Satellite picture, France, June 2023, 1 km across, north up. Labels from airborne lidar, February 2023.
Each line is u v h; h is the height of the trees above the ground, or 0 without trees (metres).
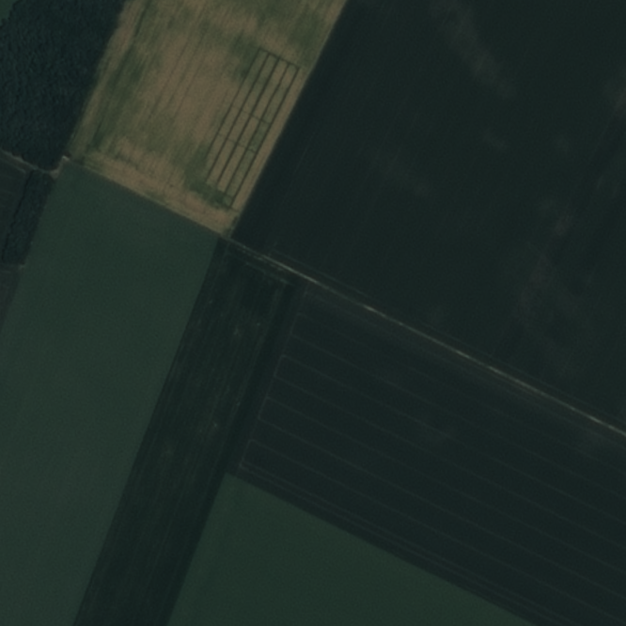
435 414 0
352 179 0
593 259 0
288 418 0
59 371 0
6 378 0
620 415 0
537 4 0
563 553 0
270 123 0
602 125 0
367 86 0
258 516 0
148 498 0
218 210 0
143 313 0
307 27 0
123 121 0
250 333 0
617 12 0
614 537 0
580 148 0
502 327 0
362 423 0
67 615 0
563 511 0
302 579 0
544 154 0
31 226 11
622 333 0
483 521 0
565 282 0
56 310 0
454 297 0
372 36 0
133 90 0
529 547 0
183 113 0
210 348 0
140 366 0
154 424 0
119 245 0
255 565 0
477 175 0
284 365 0
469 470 0
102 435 0
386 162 0
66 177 0
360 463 0
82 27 18
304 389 0
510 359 0
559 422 0
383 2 0
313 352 0
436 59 0
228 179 0
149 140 0
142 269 0
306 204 0
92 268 0
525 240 0
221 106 0
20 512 0
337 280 0
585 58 0
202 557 0
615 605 0
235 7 0
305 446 0
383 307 0
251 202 0
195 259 0
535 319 0
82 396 0
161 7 0
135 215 0
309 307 0
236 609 0
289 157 0
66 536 0
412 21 0
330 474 0
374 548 0
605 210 0
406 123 0
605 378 0
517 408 0
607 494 0
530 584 0
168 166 0
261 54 0
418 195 0
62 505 0
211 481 0
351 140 0
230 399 0
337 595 0
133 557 0
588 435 0
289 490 0
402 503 0
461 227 0
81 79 21
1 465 0
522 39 0
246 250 0
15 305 0
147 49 0
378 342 0
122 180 0
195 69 0
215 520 0
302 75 0
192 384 0
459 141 0
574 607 0
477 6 0
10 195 0
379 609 0
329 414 0
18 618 0
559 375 0
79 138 0
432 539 0
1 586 0
